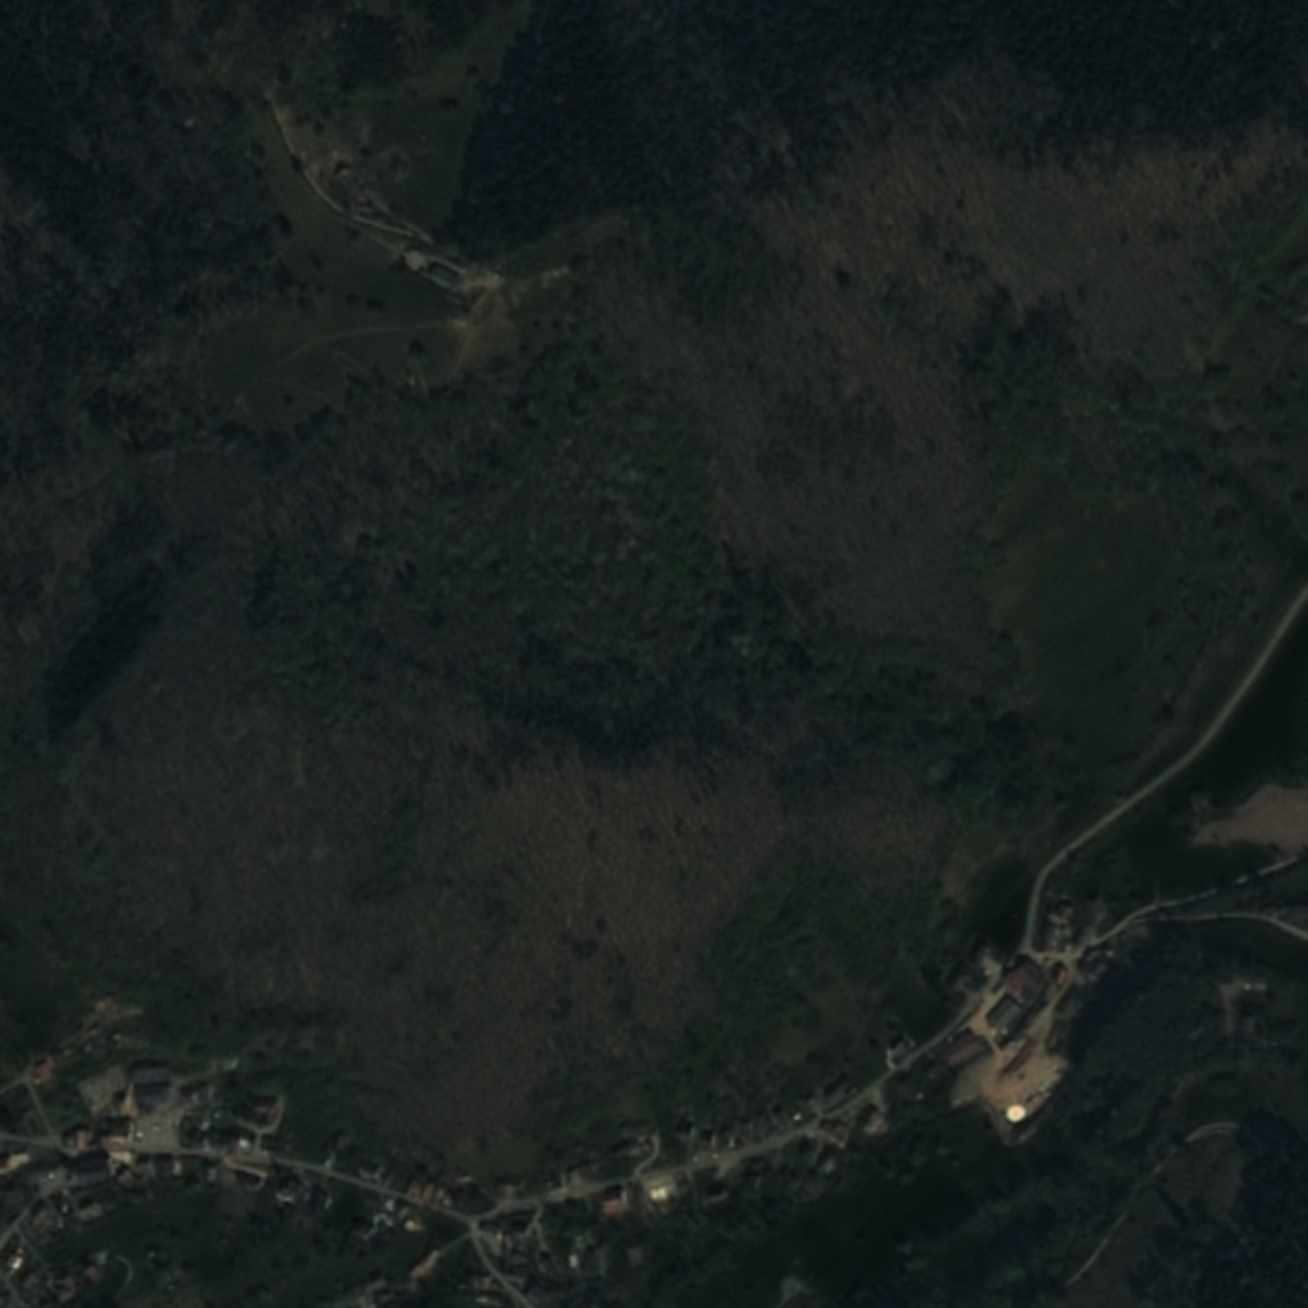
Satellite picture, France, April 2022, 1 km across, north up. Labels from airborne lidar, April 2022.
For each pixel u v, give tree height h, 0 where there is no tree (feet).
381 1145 66
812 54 95
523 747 77
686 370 38
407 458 85
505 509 59
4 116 99
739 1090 23
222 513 28
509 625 64
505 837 58
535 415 45
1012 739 72
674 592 34
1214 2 96
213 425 46
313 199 0
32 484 84
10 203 80
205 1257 0
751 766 70
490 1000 61
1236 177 71
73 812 77
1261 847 0
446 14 93
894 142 62
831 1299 0
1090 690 0
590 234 0
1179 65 82
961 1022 0
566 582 44
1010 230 41
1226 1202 0
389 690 67
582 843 65
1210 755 0
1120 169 61
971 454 70
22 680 77
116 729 52
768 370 54
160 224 100
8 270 94
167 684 27
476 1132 64
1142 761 41
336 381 0
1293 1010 0
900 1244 29
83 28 96
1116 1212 32
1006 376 56
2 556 100
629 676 80
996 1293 68
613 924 75
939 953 26
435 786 42
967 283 60
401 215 37
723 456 61
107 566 77
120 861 69
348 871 36
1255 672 0
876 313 67
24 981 0
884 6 101
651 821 64
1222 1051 53
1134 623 0
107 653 56
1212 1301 64
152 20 104
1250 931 0
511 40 0
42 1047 0
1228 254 87
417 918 42
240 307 66
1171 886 0
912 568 56
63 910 73
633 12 79
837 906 38
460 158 0
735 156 56
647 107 74
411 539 50
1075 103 83
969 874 0
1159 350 68
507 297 0
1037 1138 0
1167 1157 44
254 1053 24
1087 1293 0
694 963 78
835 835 68
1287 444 46
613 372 47
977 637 72
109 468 53
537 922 67
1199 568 36
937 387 70
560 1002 85
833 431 49
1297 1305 110
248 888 52
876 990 37
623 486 70
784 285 45
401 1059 60
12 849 56
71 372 71
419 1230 0
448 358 0
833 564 52
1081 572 0
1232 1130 0
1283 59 79
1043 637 0
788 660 103
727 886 70
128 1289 0
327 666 52
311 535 63
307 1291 0
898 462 50
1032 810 79
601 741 62
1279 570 0
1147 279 58
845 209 55
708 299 45
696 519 54
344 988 40
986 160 73
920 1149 35
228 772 49
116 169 104
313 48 69
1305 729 0
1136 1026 80
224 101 91
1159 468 80
